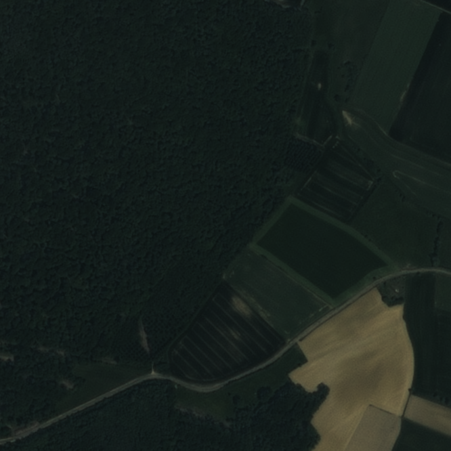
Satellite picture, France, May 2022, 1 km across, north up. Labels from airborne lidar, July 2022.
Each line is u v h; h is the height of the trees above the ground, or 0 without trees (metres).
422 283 0
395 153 0
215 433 26
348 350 0
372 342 0
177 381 0
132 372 0
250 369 0
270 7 25
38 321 9
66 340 23
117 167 22
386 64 0
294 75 20
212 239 21
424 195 0
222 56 22
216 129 29
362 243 0
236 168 26
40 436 27
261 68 24
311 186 0
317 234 0
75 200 23
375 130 0
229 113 24
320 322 0
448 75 0
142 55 22
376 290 0
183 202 28
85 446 24
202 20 27
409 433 0
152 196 22
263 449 28
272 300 0
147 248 21
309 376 0
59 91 27
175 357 0
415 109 0
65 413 0
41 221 22
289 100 17
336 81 0
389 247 0
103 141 28
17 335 26
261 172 22
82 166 24
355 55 0
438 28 0
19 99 26
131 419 20
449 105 0
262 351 0
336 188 0
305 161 25
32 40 29
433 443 0
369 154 0
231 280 0
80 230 26
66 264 21
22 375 27
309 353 0
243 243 23
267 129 27
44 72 22
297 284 0
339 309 0
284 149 25
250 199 6
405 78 0
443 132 0
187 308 16
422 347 0
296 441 31
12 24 28
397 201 0
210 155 27
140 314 10
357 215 0
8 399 24
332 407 0
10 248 26
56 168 27
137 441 21
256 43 28
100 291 22
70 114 22
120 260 27
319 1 0
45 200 27
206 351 0
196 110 25
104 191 27
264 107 24
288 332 0
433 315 0
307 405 29
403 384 0
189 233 25
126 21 21
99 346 19
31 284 29
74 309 24
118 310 24
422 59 0
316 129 0
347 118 0
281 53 26
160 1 22
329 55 0
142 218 21
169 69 25
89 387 0
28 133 23
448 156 0
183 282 15
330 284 0
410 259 0
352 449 0
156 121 22
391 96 0
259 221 11
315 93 0
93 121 23
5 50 29
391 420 0
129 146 25
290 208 0
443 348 0
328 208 0
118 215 20
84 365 22
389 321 0
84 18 24
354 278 0
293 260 0
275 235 0
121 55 26
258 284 0
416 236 0
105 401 10
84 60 25
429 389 0
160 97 29
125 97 25
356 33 0
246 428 25
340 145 0
